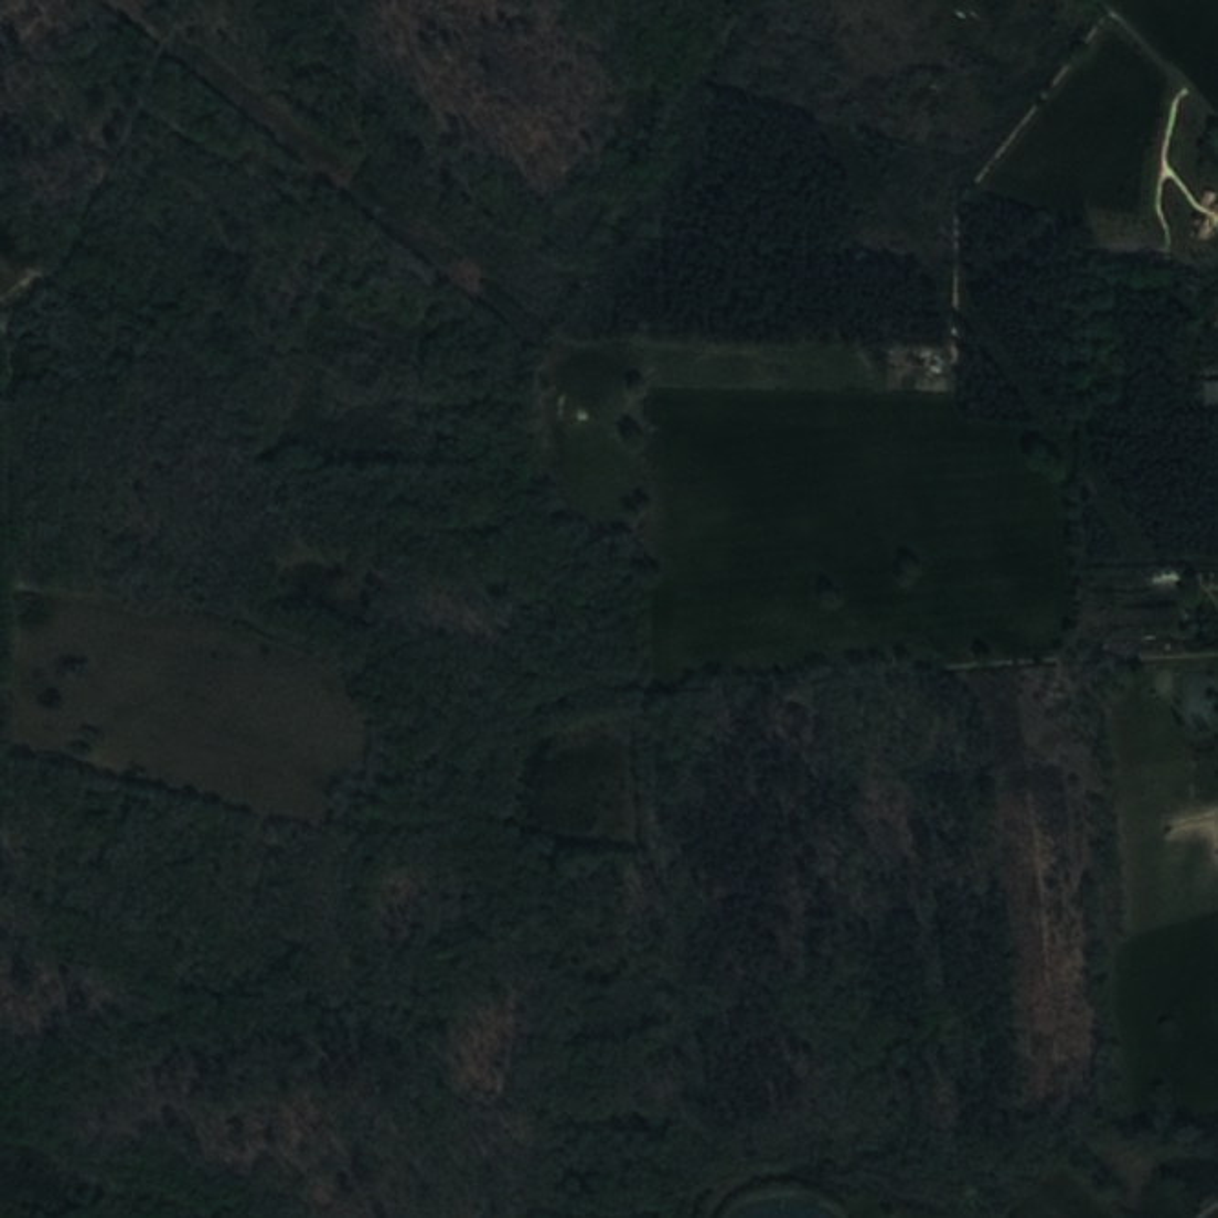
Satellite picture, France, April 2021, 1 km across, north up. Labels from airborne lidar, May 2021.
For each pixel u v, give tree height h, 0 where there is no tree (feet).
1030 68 0
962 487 0
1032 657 0
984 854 45
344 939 57
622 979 51
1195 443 54
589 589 68
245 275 68
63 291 59
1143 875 0
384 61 69
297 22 57
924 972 101
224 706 0
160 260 62
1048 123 0
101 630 0
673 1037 39
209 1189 63
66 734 0
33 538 59
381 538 72
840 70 29
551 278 49
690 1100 51
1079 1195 0
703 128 51
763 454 0
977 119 0
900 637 0
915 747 54
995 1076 76
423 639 61
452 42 57
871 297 67
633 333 42
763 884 63
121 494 54
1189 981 0
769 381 0
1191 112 0
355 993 67
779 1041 52
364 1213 37
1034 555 0
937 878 31
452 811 73
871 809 58
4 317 49
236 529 56
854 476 0
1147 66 0
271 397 66
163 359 62
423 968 63
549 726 74
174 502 50
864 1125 74
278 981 64
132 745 0
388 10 52
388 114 67
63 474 58
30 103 47
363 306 29
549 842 46
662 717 55
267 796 0
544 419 41
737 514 0
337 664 38
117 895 62
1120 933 33
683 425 0
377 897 52
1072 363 28
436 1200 57
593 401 0
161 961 52
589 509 0
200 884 56
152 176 62
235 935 49
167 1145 55
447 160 47
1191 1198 0
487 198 61
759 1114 84
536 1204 55
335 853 46
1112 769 42
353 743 0
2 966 48
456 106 49
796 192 61
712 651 0
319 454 64
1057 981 0
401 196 34
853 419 0
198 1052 47
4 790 70
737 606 0
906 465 0
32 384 60
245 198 66
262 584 63
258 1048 71
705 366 0
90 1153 47
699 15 65
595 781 0
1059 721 24
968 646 0
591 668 76
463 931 45
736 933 67
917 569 49
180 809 59
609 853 54
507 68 19
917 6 0
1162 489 61
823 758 43
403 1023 62
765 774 57
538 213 76
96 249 61
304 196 52
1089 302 50
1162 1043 0
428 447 25
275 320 41
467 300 51
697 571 0
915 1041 50
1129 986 0
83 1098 61
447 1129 67
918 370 63
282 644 18
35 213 54
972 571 0
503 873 68
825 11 26
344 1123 44
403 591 56
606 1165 73
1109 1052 70
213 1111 47
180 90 61
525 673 72
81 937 49
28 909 63
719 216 62
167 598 51
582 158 65
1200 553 51
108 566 39
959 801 94
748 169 64
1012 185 0
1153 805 0
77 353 59
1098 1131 69
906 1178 72
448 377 62
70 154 37
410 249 77
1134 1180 0
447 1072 55
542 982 69
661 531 0
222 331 67
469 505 78
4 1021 32
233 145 54
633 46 66
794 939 43
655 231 67
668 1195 70
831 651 0
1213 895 0
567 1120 43
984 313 59
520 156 48
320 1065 28
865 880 52
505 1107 40
